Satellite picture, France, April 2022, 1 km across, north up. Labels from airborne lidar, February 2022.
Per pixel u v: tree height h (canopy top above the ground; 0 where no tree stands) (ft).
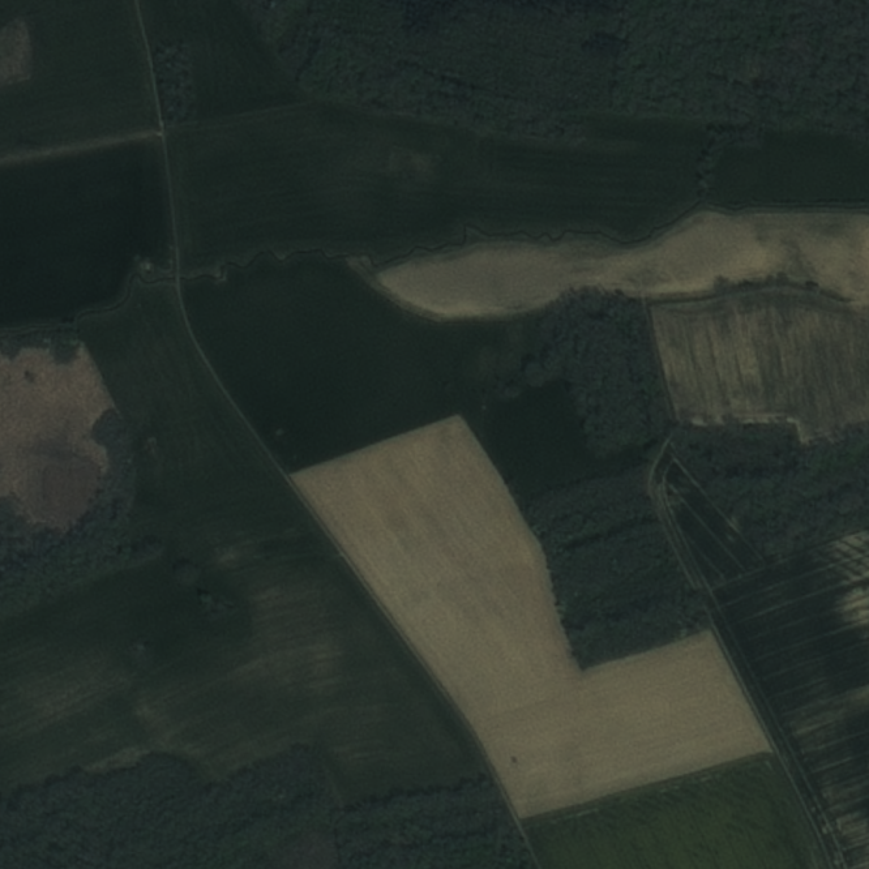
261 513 0
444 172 0
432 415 0
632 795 0
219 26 0
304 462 0
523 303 0
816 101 91
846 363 0
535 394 0
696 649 0
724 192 0
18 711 0
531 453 0
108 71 0
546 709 0
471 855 78
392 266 0
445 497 0
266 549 0
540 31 45
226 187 0
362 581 0
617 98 72
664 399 49
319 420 0
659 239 0
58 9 0
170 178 0
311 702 0
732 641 0
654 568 19
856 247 0
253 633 0
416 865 76
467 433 0
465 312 0
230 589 0
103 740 0
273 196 0
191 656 0
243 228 0
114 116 0
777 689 0
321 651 0
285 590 0
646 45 79
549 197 0
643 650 72
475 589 0
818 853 0
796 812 0
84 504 0
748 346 0
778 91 74
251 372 0
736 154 0
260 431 0
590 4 72
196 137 0
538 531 22
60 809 39
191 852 57
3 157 0
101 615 0
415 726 0
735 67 88
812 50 91
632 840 0
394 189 0
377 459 0
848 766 0
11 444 0
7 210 0
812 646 0
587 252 0
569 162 0
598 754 0
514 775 0
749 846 0
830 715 0
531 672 0
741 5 100
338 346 0
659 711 0
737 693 0
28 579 97
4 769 0
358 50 76
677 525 0
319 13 52
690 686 0
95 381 0
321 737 0
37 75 0
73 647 0
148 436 0
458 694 0
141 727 0
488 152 0
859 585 0
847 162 0
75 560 96
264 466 0
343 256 0
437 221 0
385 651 0
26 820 95
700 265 0
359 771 0
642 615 95
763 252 0
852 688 0
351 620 0
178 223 0
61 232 0
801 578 0
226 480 0
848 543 0
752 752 0
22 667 0
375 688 0
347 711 0
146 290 0
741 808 0
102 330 0
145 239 0
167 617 0
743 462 0
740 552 0
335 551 0
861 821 0
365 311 0
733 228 0
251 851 46
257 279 0
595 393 81
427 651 0
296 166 0
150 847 76
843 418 0
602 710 0
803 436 0
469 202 0
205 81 0
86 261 0
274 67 0
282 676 0
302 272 0
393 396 0
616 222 0
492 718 0
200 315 0
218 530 0
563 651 0
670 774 0
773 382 0
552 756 0
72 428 0
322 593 0
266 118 0
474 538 0
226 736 0
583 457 0
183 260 0
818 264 0
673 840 0
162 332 0
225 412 0
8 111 0
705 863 0
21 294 0
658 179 0
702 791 0
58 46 0
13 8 0
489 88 43
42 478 0
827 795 0
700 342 0
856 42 80
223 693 0
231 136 0
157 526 0
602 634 101
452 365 0
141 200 0
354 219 0
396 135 0
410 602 0
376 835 63
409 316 0
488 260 0
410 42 44
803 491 77
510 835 86
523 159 0
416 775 0
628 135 0
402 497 0
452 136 0
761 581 0
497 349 0
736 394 0
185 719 0
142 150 0
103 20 0
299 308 0
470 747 0
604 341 104
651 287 0
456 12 80
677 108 79
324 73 72
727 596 0
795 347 0
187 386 0
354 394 0
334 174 0
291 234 0
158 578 0
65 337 40
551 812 0
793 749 0
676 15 98
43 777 0
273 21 80
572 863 0
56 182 0
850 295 0
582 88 47
